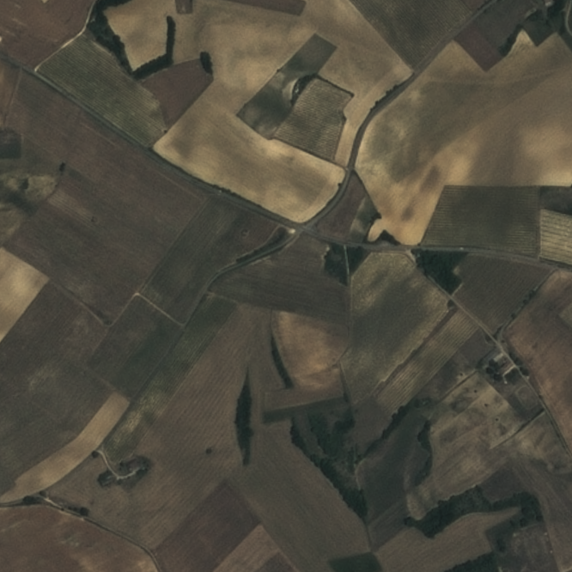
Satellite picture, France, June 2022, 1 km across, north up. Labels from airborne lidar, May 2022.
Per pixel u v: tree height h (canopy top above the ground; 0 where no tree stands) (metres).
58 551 0
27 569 0
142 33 0
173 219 0
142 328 0
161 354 0
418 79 0
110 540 0
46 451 0
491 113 0
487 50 0
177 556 0
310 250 0
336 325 0
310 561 0
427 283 0
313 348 0
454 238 0
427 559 0
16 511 0
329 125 0
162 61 11
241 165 0
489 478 0
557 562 0
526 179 0
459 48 0
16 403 0
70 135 0
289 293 0
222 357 0
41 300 0
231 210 0
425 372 0
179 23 0
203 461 0
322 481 0
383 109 0
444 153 0
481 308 0
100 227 0
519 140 0
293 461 0
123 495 0
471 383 0
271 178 0
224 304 0
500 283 0
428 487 0
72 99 0
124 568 0
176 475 0
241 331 0
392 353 0
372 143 0
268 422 0
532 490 0
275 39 0
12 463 0
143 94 0
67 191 0
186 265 0
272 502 0
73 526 0
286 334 0
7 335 0
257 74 0
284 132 0
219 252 0
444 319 0
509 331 0
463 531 0
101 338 0
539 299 0
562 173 0
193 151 0
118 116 0
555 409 0
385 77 0
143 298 0
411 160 0
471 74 0
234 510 0
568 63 0
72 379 0
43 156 0
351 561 0
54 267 0
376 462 0
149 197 0
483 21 0
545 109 0
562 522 0
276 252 0
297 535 0
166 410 0
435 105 0
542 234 0
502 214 0
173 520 0
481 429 0
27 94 0
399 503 0
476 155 0
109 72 0
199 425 0
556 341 0
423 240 0
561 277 0
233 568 0
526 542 0
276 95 0
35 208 0
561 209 0
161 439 0
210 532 0
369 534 0
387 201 0
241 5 0
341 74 0
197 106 0
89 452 0
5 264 0
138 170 0
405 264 0
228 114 0
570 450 0
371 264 0
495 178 0
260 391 0
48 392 0
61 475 0
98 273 0
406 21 0
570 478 0
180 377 0
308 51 0
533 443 0
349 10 0
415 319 0
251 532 0
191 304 0
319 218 0
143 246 0
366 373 0
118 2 18
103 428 0
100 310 0
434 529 8
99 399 0
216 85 0
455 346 0
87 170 0
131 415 0
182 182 0
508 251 0
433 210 0
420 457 0
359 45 0
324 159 0
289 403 0
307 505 0
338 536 0
